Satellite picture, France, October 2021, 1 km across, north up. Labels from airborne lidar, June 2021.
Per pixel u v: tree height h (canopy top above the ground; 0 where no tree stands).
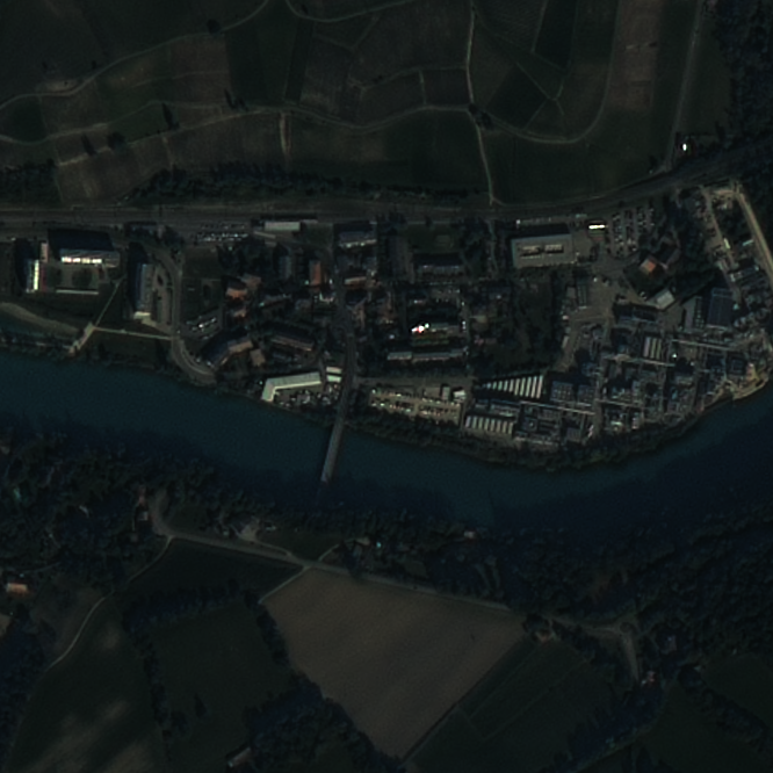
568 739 0
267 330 10
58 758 0
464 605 0
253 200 0
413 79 0
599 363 9
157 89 0
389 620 0
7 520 25
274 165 0
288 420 0
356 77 0
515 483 0
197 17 0
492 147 0
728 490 33
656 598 19
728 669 0
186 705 0
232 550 0
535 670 0
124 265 0
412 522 25
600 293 0
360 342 7
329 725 22
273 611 0
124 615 0
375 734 0
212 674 0
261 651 0
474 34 0
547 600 20
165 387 0
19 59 0
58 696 0
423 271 6
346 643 0
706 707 17
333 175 0
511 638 0
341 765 0
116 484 14
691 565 29
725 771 0
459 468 0
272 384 0
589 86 0
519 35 0
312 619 0
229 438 0
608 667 23
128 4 0
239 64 0
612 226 0
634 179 0
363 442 0
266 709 0
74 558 17
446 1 0
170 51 0
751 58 26
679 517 26
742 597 30
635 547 25
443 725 0
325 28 0
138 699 0
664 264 12
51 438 20
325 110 0
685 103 0
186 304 0
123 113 0
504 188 0
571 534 21
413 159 0
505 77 0
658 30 0
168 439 0
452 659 0
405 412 0
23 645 24
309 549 0
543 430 8
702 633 27
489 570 0
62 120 0
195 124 0
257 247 15
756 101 35
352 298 8
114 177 0
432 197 7
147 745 0
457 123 0
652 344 0
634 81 0
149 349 0
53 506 27
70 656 0
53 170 16
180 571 0
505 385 0
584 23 0
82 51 0
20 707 22
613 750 9
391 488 0
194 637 0
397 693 0
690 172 0
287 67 0
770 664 17
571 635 7
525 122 0
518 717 0
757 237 0
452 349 14
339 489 0
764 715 0
